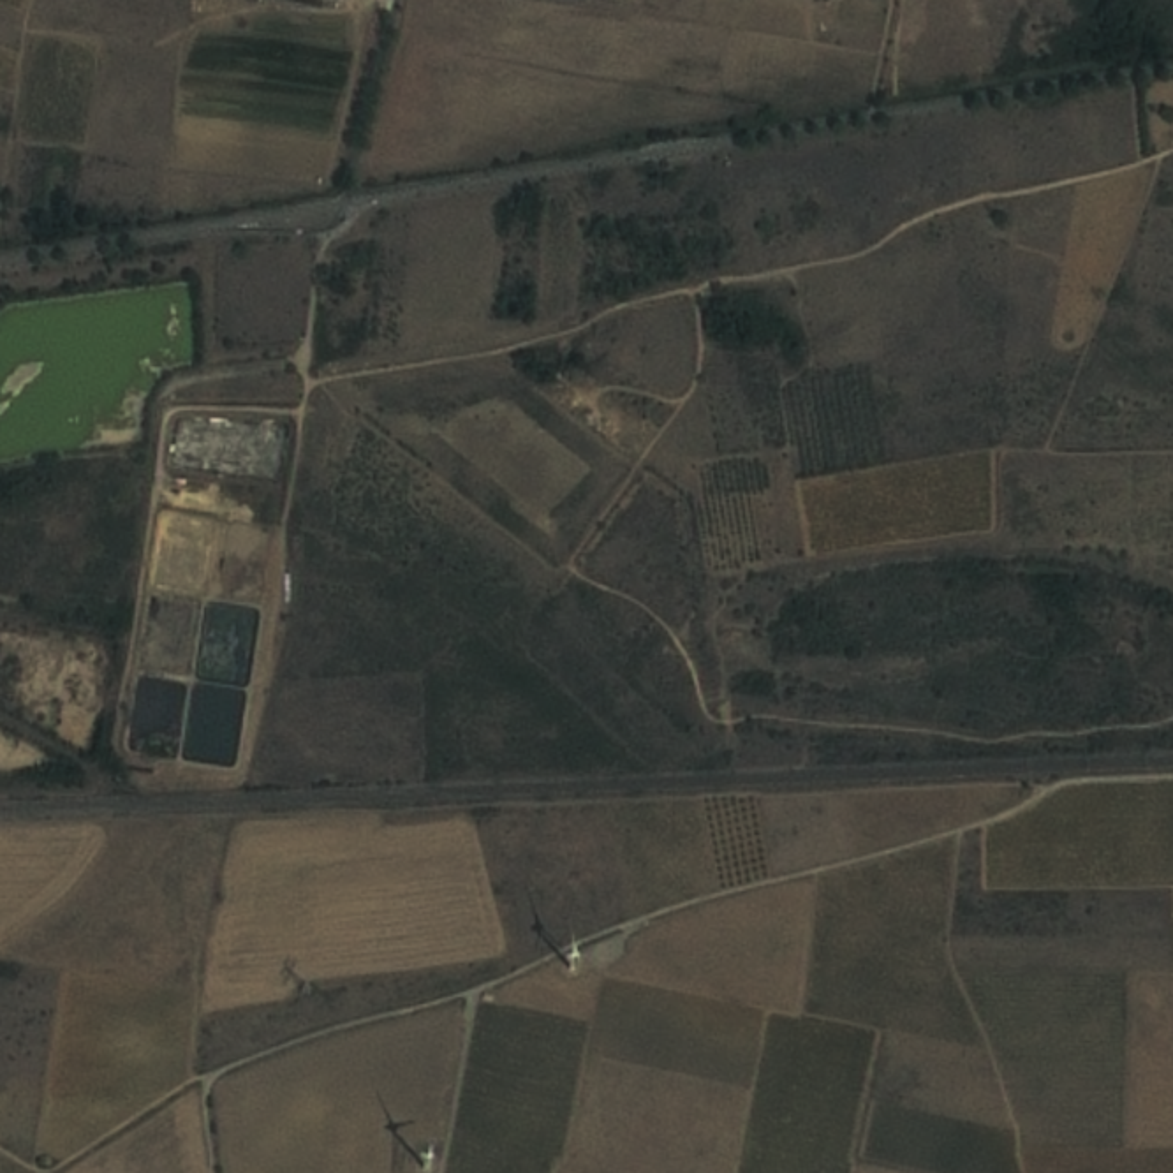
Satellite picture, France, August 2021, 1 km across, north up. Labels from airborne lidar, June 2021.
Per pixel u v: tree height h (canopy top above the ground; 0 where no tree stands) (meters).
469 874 0
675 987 0
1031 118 0
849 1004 0
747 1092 0
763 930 0
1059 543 0
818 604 10
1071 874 0
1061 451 0
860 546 0
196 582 0
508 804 0
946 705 0
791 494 0
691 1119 0
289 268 0
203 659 0
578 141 0
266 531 0
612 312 0
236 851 0
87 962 0
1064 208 0
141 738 0
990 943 0
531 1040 0
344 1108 0
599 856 0
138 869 0
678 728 0
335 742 0
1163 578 0
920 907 0
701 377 7
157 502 0
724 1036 0
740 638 0
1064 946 0
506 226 10
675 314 0
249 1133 0
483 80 0
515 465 0
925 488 0
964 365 0
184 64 0
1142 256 0
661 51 0
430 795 0
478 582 0
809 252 0
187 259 0
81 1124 0
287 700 0
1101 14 12
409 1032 0
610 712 0
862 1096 0
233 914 0
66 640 0
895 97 0
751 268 0
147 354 0
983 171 0
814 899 0
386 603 0
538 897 0
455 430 0
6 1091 0
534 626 0
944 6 0
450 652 0
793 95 0
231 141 0
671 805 0
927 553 0
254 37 0
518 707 0
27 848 0
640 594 0
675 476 0
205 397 0
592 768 0
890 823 0
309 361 0
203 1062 0
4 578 0
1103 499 0
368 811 0
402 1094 0
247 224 0
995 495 0
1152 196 0
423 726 0
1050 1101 0
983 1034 0
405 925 0
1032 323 0
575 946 0
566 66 0
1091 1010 0
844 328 0
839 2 0
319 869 0
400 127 0
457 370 0
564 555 0
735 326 17
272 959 0
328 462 0
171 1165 0
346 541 0
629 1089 0
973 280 0
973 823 0
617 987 0
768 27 0
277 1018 0
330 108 0
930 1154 0
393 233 0
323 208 0
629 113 0
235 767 0
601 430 0
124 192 0
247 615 0
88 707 0
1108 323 0
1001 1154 0
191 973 0
